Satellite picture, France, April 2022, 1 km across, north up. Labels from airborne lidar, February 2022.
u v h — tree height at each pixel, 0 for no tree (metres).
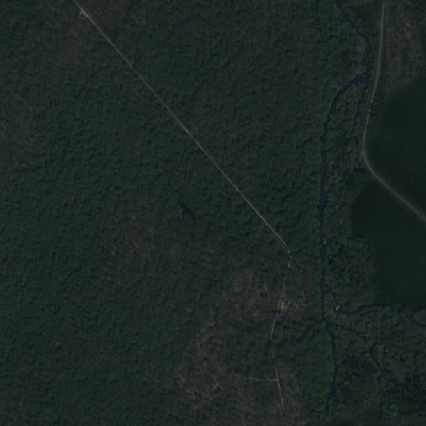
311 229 27
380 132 0
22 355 25
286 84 28
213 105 25
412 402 17
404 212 0
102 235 28
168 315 22
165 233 28
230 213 27
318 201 22
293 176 26
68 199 24
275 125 32
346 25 22
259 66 30
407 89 0
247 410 23
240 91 28
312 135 24
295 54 28
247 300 26
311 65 33
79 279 22
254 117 28
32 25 30
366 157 0
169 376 24
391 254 0
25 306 27
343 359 25
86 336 25
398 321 12
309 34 31
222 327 26
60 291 24
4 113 31
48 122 29
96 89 26
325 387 25
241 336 25
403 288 0
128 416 27
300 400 25
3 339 26
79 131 23
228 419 25
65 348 24
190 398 24
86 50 22
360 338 13
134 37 23
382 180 0
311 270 28
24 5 25
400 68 0
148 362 24
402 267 0
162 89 26
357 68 23
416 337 18
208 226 22
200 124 28
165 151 25
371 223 0
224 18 27
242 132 28
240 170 29
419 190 0
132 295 25
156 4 31
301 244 28
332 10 20
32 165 26
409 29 11
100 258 26
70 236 29
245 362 28
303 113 25
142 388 27
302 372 30
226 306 28
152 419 26
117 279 26
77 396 23
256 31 30
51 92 30
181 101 26
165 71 27
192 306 26
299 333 27
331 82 21
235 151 29
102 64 27
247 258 29
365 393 22
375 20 0
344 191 16
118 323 24
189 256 27
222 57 28
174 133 25
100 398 18
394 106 0
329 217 16
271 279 27
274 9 28
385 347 19
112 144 27
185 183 29
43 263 23
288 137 27
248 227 26
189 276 26
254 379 26
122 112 23
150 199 28
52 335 25
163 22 26
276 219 30
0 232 29
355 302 23
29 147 28
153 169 29
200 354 27
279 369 27
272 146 30
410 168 0
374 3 0
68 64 32
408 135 0
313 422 23
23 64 27
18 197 28
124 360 22
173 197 27
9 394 28
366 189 0
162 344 25
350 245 11
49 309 24
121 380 24
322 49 26
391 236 0
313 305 25
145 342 24
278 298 22
